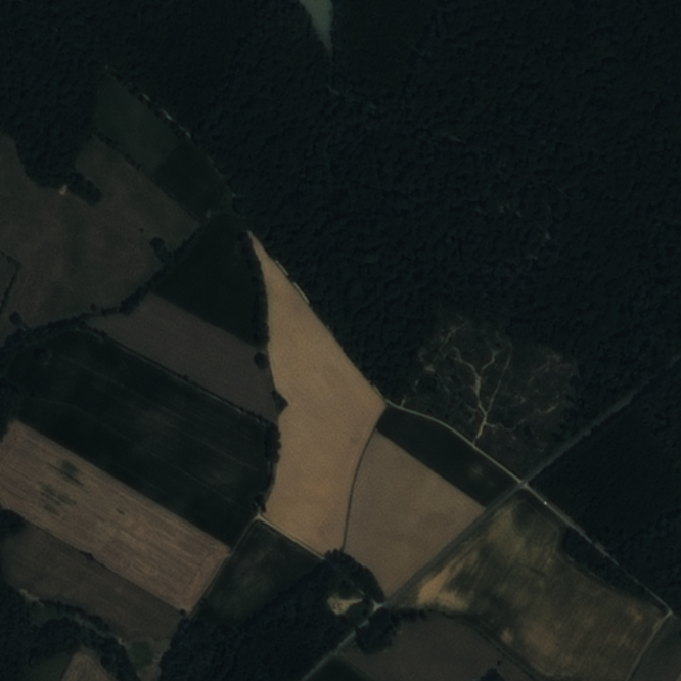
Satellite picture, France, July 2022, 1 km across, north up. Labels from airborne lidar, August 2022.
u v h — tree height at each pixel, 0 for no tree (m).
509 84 24
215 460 0
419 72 18
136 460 0
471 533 0
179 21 12
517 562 0
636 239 22
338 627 24
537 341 16
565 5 25
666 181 18
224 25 13
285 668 21
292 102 18
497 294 24
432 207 26
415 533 0
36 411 0
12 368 0
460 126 16
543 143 20
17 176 0
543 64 22
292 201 24
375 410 0
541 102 23
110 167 0
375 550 0
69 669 0
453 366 24
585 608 0
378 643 23
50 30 21
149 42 17
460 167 23
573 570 0
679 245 25
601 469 9
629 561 20
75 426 0
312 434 0
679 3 27
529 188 25
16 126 22
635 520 9
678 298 19
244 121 20
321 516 0
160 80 13
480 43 25
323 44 15
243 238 15
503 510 0
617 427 8
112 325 0
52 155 18
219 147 24
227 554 0
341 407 0
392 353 22
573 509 7
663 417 21
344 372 0
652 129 26
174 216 0
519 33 26
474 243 24
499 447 0
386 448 0
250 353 0
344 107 21
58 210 0
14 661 24
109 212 0
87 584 0
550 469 11
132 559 0
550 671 0
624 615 0
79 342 0
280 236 23
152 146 0
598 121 22
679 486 8
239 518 0
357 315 26
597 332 23
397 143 22
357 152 20
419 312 20
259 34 21
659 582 17
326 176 20
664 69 27
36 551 0
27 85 20
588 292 19
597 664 0
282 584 0
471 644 0
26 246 0
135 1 21
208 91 13
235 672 16
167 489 0
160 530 0
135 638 0
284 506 0
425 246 20
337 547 0
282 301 0
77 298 0
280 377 0
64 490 0
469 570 0
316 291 22
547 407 0
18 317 13
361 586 16
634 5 23
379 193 24
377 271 22
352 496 0
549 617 0
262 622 17
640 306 15
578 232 22
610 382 21
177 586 0
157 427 0
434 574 0
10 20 19
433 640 0
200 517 0
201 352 0
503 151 26
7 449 0
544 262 24
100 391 0
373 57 6
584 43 25
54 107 23
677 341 9
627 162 25
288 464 0
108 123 0
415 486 0
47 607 15
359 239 22
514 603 0
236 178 24
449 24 24
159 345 0
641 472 8
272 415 0
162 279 10
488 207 26
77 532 0
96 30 23
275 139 27
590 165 23
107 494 0
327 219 14
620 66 26
